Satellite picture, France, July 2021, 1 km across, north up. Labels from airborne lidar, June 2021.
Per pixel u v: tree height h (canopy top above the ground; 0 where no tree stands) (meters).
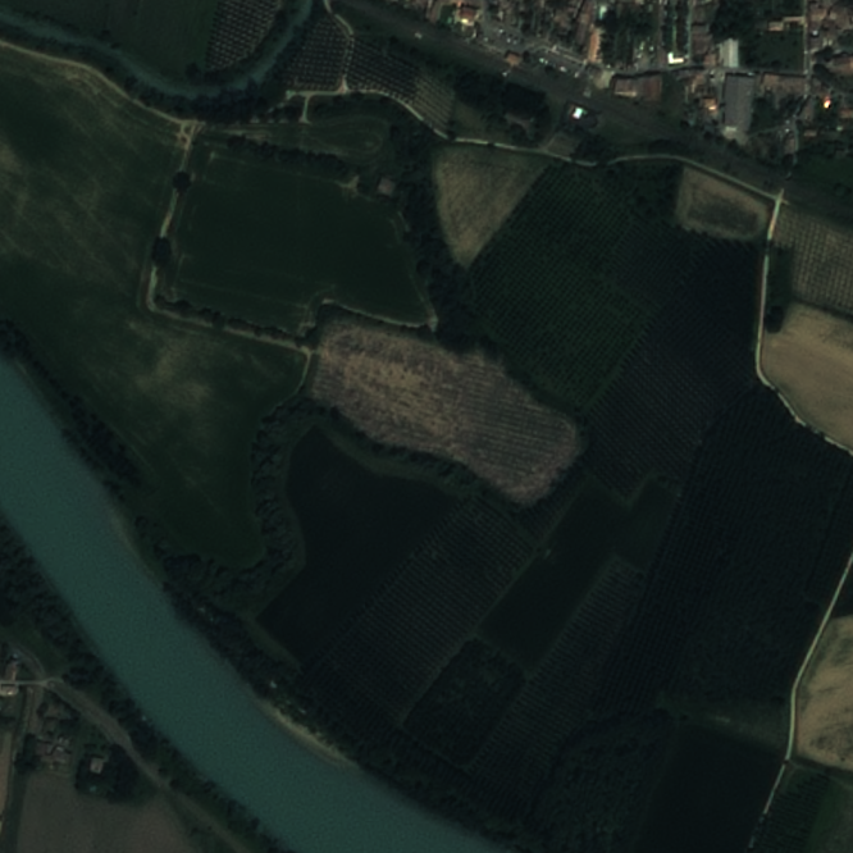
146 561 0
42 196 0
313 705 25
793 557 25
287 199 0
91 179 0
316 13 14
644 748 28
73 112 0
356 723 16
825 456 21
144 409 0
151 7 0
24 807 0
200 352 0
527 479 0
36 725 0
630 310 6
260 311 0
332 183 0
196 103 6
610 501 0
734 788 0
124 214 0
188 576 25
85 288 0
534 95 16
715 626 25
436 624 15
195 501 0
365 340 0
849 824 0
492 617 0
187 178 16
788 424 23
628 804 27
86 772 12
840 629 0
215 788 13
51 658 0
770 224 0
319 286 0
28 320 0
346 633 17
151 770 0
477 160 0
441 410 0
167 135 0
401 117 6
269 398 0
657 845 0
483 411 0
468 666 8
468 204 0
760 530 27
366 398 0
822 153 6
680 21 10
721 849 0
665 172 8
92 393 0
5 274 0
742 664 27
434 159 0
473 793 19
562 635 0
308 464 0
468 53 0
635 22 6
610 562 0
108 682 11
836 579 16
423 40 0
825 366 0
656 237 11
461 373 0
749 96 0
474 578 18
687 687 25
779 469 26
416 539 0
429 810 14
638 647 21
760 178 0
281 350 0
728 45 0
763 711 0
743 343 25
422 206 20
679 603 24
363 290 0
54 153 0
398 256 0
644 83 0
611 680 22
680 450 19
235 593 17
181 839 0
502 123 10
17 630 0
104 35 13
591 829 29
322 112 11
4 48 0
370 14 0
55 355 0
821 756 0
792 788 0
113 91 0
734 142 7
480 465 0
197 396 0
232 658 17
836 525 17
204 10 0
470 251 0
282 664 8
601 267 6
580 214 6
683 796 0
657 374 22
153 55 0
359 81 16
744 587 27
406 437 0
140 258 0
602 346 6
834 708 0
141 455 0
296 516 0
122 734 0
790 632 27
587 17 0
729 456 26
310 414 8
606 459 19
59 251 0
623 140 0
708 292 28
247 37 14
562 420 0
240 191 0
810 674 0
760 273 22
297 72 14
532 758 19
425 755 19
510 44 0
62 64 0
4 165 0
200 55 0
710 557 22
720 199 0
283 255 0
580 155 9
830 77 12
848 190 7
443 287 15
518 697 8
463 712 8
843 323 0
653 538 0
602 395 0
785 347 0
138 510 0
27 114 0
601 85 0
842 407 0
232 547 0
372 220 0
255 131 0
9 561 18
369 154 0
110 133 0
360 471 0
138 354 0
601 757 27
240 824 9
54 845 0
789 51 0
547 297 6
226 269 0
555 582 0
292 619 0
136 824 0
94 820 0
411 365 0
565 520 0
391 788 15
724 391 22
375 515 0
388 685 20
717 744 0
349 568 0
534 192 6
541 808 27
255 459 12
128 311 0
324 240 0
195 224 0
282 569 14
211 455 0
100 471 10
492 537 16
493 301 7
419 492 0
